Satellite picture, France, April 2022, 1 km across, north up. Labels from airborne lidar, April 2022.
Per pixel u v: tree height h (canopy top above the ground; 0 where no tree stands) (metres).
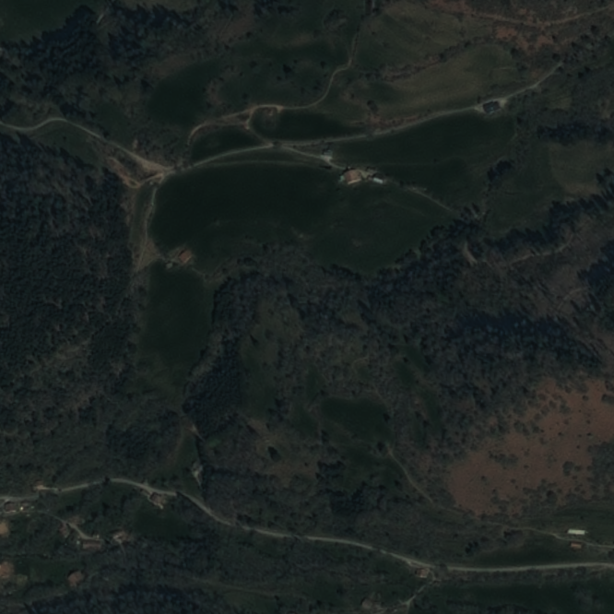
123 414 21
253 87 0
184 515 23
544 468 0
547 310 0
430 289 29
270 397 0
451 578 13
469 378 12
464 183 0
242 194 0
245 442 13
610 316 6
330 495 20
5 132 0
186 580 11
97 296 19
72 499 0
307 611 7
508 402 11
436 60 6
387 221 0
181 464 0
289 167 0
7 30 0
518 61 14
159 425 24
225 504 32
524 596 0
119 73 0
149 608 31
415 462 7
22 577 0
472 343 15
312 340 11
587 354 25
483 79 0
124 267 20
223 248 0
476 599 0
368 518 34
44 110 0
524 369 21
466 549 0
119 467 23
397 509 22
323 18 0
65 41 17
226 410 30
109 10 10
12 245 22
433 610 19
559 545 0
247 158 0
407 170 0
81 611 27
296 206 0
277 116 0
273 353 0
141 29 25
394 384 6
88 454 17
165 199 0
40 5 0
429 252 12
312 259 16
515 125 0
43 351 22
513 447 0
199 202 0
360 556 14
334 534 25
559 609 0
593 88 18
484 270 7
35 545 14
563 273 0
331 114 0
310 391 0
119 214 23
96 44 34
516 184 0
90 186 0
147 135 7
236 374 33
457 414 9
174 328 0
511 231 0
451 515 0
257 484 27
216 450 8
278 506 22
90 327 20
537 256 14
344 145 0
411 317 26
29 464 9
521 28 6
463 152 0
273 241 0
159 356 0
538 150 0
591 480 9
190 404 22
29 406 25
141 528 0
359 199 0
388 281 27
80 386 20
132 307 18
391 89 0
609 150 0
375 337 9
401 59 0
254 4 0
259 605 0
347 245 0
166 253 14
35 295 21
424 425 7
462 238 23
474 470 0
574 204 0
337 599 0
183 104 0
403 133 0
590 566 0
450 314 6
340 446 0
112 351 15
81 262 20
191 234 0
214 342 14
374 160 0
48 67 28
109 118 0
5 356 21
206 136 0
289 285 12
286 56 0
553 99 0
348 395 14
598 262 0
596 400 0
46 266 15
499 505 11
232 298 29
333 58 0
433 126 0
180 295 0
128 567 23
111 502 0
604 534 0
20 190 21
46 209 29
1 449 13
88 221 22
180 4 0
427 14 0
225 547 14
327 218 0
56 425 22
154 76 0
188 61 0
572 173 0
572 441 0
